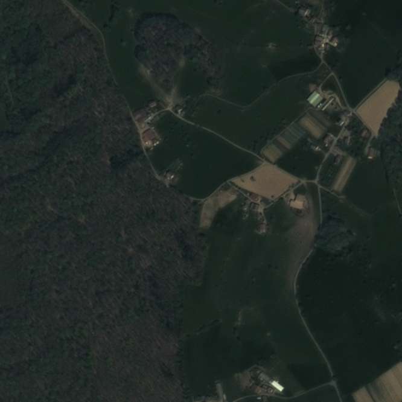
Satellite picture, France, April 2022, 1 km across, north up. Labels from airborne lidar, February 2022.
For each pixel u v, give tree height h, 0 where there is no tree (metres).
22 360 27
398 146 31
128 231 23
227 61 0
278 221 0
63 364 0
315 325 0
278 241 0
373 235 0
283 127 0
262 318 0
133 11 0
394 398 0
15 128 27
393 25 0
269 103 0
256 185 0
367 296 0
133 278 30
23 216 32
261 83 0
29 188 31
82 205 26
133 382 0
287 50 0
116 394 0
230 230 0
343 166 0
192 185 0
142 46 25
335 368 0
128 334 0
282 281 0
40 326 28
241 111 0
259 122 0
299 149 0
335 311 0
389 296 0
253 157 0
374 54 0
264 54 0
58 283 27
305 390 0
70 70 27
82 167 26
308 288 0
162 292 23
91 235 30
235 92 0
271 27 0
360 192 0
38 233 21
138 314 25
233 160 0
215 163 0
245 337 0
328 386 0
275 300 0
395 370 0
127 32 0
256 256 0
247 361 0
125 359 0
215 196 0
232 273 0
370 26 0
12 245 18
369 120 0
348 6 0
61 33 9
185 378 8
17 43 28
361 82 0
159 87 0
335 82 0
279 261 0
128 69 0
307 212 0
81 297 30
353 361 0
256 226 0
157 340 0
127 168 27
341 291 0
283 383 0
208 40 0
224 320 0
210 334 0
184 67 0
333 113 0
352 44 0
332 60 0
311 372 0
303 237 0
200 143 0
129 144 26
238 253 0
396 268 0
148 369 0
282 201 11
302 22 7
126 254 28
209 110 0
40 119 29
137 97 0
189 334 0
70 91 28
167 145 7
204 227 0
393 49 0
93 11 0
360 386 0
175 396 0
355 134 8
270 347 0
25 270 26
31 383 0
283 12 0
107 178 30
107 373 0
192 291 0
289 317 0
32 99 30
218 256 0
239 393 0
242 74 0
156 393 0
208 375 0
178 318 20
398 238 0
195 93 0
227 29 0
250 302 0
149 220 24
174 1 0
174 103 0
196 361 0
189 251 27
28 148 30
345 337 0
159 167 0
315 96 0
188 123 0
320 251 0
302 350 0
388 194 0
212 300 0
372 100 0
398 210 0
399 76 15
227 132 0
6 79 31
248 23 0
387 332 0
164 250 23
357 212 0
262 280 0
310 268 0
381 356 0
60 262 29
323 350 0
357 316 0
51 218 31
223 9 0
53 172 27
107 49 0
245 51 0
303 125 0
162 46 33
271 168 0
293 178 0
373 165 0
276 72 0
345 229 26
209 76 15
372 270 0
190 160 0
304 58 0
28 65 16
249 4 0
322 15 0
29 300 28
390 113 0
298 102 0
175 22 29
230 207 0
